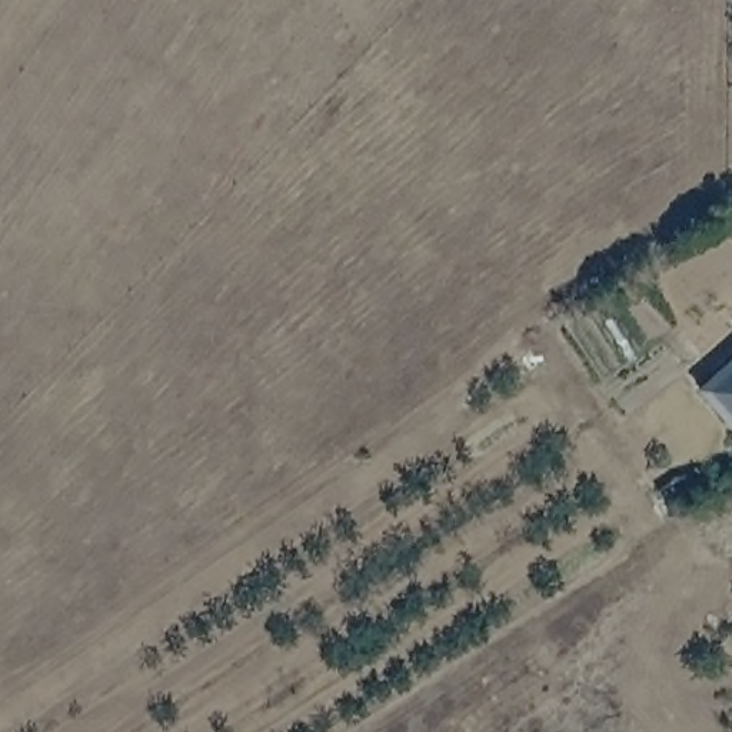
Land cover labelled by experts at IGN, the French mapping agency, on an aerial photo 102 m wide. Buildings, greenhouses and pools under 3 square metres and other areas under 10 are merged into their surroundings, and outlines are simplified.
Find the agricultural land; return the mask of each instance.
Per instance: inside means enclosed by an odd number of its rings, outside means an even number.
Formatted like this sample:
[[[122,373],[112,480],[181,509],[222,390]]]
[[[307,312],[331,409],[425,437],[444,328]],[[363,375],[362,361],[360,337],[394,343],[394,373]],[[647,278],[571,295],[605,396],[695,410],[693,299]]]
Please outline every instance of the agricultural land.
[[[732,635],[723,641],[723,675],[715,678],[695,675],[683,663],[681,649],[703,626],[732,620],[732,506],[709,520],[666,512],[663,523],[646,532],[632,546],[626,560],[578,586],[569,598],[549,606],[543,615],[529,618],[506,638],[492,643],[483,655],[443,675],[437,683],[420,689],[412,701],[383,715],[366,732],[732,732]]]
[[[609,289],[612,280],[623,275],[626,266],[641,266],[641,260],[649,254],[649,246],[675,243],[678,234],[695,232],[701,223],[709,223],[712,209],[732,206],[732,0],[0,0],[0,712],[20,692],[37,686],[43,678],[51,678],[54,669],[66,666],[69,661],[77,661],[92,646],[106,646],[112,635],[129,629],[149,606],[169,598],[177,586],[194,580],[214,560],[229,558],[229,546],[220,546],[217,540],[232,535],[263,506],[286,498],[289,492],[289,469],[275,469],[275,455],[303,455],[309,460],[317,458],[326,463],[335,452],[357,455],[360,446],[366,446],[369,429],[375,429],[377,423],[400,420],[409,409],[432,397],[437,389],[452,386],[486,346],[500,340],[518,323],[518,309],[543,303],[546,297],[552,297],[552,303],[558,303],[563,312],[575,312],[583,303],[592,303],[598,295]]]

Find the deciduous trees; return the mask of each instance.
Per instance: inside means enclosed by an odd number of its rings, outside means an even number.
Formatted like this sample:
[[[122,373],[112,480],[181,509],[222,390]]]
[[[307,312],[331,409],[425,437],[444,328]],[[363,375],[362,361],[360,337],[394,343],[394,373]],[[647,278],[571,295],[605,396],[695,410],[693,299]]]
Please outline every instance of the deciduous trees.
[[[715,678],[723,675],[723,641],[732,635],[732,620],[703,626],[681,649],[683,663],[695,675]]]
[[[569,532],[572,518],[606,509],[609,498],[603,495],[600,480],[595,475],[578,475],[575,489],[560,489],[546,498],[540,509],[526,512],[526,543],[549,546],[549,532]]]
[[[646,335],[629,312],[635,303],[649,300],[669,326],[678,323],[672,306],[666,303],[658,286],[661,272],[695,254],[703,254],[706,249],[732,237],[732,206],[712,209],[709,223],[701,223],[695,232],[678,234],[675,243],[649,246],[649,254],[641,260],[641,266],[626,266],[623,275],[612,280],[609,289],[598,295],[592,303],[589,309],[595,315],[615,320],[635,346]]]
[[[389,512],[397,512],[400,506],[409,506],[415,500],[426,500],[435,475],[449,472],[449,458],[435,452],[432,458],[397,466],[400,483],[380,489],[380,500]]]
[[[503,355],[480,377],[469,383],[472,409],[486,412],[489,397],[512,397],[518,392],[518,363],[509,355]]]
[[[160,698],[149,703],[149,715],[157,723],[172,723],[177,718],[177,709],[172,698]]]
[[[326,623],[323,612],[315,603],[303,603],[289,615],[269,615],[266,632],[275,643],[289,646],[309,632],[320,641],[320,658],[326,666],[352,672],[366,661],[375,661],[400,632],[406,632],[409,620],[426,618],[426,609],[432,606],[443,606],[455,589],[478,589],[478,566],[463,563],[458,572],[446,572],[440,580],[429,586],[406,586],[406,592],[392,600],[383,618],[349,618],[346,635],[337,635]]]
[[[449,626],[432,635],[432,641],[412,646],[406,658],[392,658],[383,672],[369,672],[369,678],[360,681],[355,698],[337,698],[335,706],[326,706],[306,723],[295,723],[289,732],[329,732],[340,721],[366,715],[369,703],[386,701],[392,692],[409,689],[412,678],[432,672],[440,661],[449,661],[466,652],[469,646],[483,643],[489,626],[498,626],[512,612],[512,603],[506,598],[495,595],[486,603],[466,606],[463,612],[458,612]]]
[[[538,426],[529,449],[523,449],[509,463],[503,478],[475,483],[458,500],[446,498],[446,506],[437,518],[420,520],[417,538],[383,535],[383,540],[372,543],[363,552],[363,563],[352,560],[337,578],[340,600],[369,595],[372,583],[389,580],[395,572],[406,575],[417,569],[423,552],[440,546],[443,538],[463,529],[469,520],[492,512],[495,503],[512,503],[515,489],[526,483],[538,486],[543,475],[560,472],[563,452],[569,443],[566,429]]]
[[[315,535],[306,535],[303,543],[295,549],[280,546],[280,555],[263,555],[257,566],[249,575],[240,575],[229,592],[206,600],[203,612],[180,618],[166,632],[169,652],[183,652],[186,641],[192,638],[209,641],[209,629],[232,629],[234,612],[254,609],[266,598],[277,598],[280,583],[292,572],[306,578],[306,569],[326,558],[332,543],[355,540],[357,529],[349,509],[337,509],[335,523],[320,526]]]
[[[563,586],[563,578],[558,560],[535,560],[529,566],[532,586],[540,595],[558,592]]]
[[[658,478],[669,469],[678,469],[663,443],[649,443],[646,463],[655,469]]]
[[[695,489],[689,509],[669,503],[666,512],[709,520],[732,506],[732,472],[726,475],[715,458],[695,460],[709,480],[709,492]]]

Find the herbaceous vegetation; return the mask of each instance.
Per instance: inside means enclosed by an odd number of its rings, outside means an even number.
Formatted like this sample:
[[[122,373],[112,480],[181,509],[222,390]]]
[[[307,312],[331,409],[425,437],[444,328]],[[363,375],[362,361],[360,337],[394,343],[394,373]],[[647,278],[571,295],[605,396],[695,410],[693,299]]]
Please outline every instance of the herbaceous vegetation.
[[[558,303],[552,303],[552,297],[546,297],[543,303],[518,309],[518,323],[500,340],[486,346],[452,386],[437,389],[432,397],[409,409],[400,420],[377,423],[375,429],[369,429],[366,446],[360,446],[357,455],[335,452],[326,463],[317,458],[309,460],[303,455],[275,455],[275,469],[289,469],[289,492],[286,498],[263,506],[232,535],[217,540],[220,546],[229,546],[229,558],[214,560],[194,580],[177,586],[169,598],[149,606],[129,629],[112,635],[106,646],[92,646],[77,661],[69,661],[66,666],[54,669],[51,678],[43,678],[37,686],[20,692],[0,712],[0,732],[289,732],[295,723],[306,723],[326,706],[335,706],[337,698],[355,698],[360,681],[369,678],[369,672],[383,672],[392,658],[406,658],[412,646],[432,641],[432,635],[449,626],[458,612],[463,612],[466,606],[486,603],[495,595],[506,598],[512,603],[512,612],[498,626],[489,626],[483,643],[469,646],[466,652],[449,661],[440,661],[432,672],[412,678],[409,689],[392,692],[386,701],[369,703],[366,715],[340,721],[329,732],[366,732],[383,715],[412,701],[420,689],[437,683],[443,675],[483,655],[492,643],[506,638],[529,618],[543,615],[549,606],[569,598],[578,586],[626,560],[632,546],[646,532],[663,523],[666,512],[669,503],[689,509],[695,489],[709,492],[709,480],[695,460],[715,458],[726,475],[732,472],[732,432],[723,429],[712,409],[718,397],[701,389],[732,360],[732,237],[706,249],[703,254],[695,254],[661,272],[658,286],[666,303],[672,306],[678,323],[669,326],[649,300],[635,303],[629,312],[646,335],[635,346],[615,320],[595,315],[589,309],[592,303],[583,303],[575,312],[563,312]],[[486,412],[472,409],[469,383],[480,377],[503,355],[509,355],[518,363],[518,392],[512,397],[489,397]],[[492,512],[469,520],[463,529],[443,538],[440,546],[423,552],[417,569],[406,575],[395,572],[389,580],[372,583],[369,595],[340,600],[337,578],[352,560],[363,563],[363,552],[372,543],[383,540],[383,535],[417,538],[420,520],[437,518],[446,506],[446,498],[458,500],[475,483],[503,478],[509,463],[523,449],[529,449],[538,426],[566,429],[569,443],[563,452],[560,472],[543,475],[538,486],[526,483],[515,489],[512,503],[495,503]],[[678,469],[669,469],[658,478],[655,469],[646,463],[649,443],[663,443]],[[415,500],[409,506],[400,506],[397,512],[389,512],[380,500],[380,489],[400,483],[397,466],[432,458],[435,452],[449,458],[449,472],[435,475],[426,500]],[[578,475],[595,475],[600,480],[603,495],[609,498],[606,509],[572,518],[569,532],[549,532],[549,546],[526,543],[526,512],[540,509],[546,498],[560,489],[575,489]],[[240,575],[249,575],[257,566],[263,555],[280,555],[280,546],[295,549],[303,543],[306,535],[315,535],[320,526],[335,523],[337,509],[349,509],[357,529],[355,540],[332,543],[326,558],[306,569],[306,578],[292,572],[280,583],[277,598],[266,598],[254,609],[234,612],[232,629],[209,629],[209,641],[192,638],[186,641],[183,652],[169,652],[166,632],[180,618],[203,612],[206,600],[229,592]],[[563,586],[558,592],[540,595],[532,586],[529,566],[535,560],[558,560],[563,578]],[[429,586],[440,580],[446,572],[458,572],[463,563],[478,566],[478,589],[455,589],[443,606],[432,606],[426,609],[426,618],[409,620],[406,632],[400,632],[375,661],[366,661],[352,672],[326,666],[320,658],[320,641],[309,632],[289,646],[275,643],[266,632],[269,615],[289,615],[303,603],[315,603],[323,612],[326,623],[337,635],[346,635],[349,618],[383,618],[392,600],[406,592],[406,586]],[[149,703],[160,698],[172,698],[177,709],[177,718],[172,723],[157,723],[149,715]]]

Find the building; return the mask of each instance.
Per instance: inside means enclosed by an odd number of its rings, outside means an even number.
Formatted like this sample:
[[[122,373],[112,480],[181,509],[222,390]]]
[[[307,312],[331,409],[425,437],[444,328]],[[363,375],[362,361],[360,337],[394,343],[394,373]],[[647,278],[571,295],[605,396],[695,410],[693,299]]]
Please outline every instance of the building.
[[[723,429],[732,432],[732,360],[701,389],[718,397],[712,409]]]

